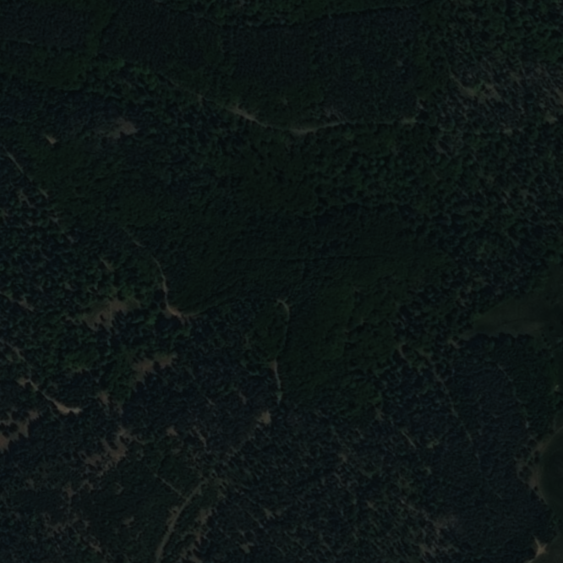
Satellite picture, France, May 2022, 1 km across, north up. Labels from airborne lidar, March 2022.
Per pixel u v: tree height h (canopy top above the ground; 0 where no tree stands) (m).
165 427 24
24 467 17
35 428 25
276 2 17
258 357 20
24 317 24
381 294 14
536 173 28
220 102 14
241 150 22
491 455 27
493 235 23
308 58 17
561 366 0
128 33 8
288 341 20
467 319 27
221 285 20
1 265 14
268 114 12
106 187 23
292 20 17
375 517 28
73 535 23
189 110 9
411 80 21
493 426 21
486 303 15
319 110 7
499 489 23
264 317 15
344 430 36
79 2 24
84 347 20
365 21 23
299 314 16
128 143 14
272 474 28
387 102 27
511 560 25
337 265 18
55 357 18
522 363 15
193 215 18
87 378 28
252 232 15
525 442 19
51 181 19
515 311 0
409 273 13
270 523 32
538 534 24
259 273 18
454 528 27
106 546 11
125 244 18
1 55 26
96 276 20
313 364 13
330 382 15
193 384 26
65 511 7
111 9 17
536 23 32
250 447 28
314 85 20
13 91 23
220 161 21
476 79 30
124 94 14
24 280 37
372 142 20
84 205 18
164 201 22
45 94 23
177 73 18
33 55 18
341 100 23
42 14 24
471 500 24
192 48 22
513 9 37
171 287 16
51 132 21
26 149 19
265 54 20
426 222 16
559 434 0
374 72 23
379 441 34
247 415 27
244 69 22
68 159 25
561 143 34
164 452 9
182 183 22
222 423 23
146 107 17
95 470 14
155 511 10
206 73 9
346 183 26
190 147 20
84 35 26
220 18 8
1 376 7
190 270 15
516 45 34
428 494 32
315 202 14
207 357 7
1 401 21
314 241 17
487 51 36
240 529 22
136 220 18
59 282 19
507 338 17
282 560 15
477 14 32
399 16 26
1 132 19
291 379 16
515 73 33
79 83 9
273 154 12
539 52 34
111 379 25
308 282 12
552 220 13
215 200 18
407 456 7
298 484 32
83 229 20
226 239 20
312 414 9
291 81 22
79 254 21
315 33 15
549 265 8
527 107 31
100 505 9
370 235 17
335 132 15
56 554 24
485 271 40
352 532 26
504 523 23
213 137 22
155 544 10
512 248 10
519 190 13
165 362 0
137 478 10
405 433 35
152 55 19
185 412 23
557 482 0
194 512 9
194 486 7
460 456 27
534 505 22
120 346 27
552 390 15
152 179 21
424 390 17
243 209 15
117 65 22
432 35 24
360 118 19
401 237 19
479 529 24
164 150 26
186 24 21
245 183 20
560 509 0
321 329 17
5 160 19
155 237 15
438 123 14
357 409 17
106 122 11
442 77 11
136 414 27
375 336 23
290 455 31
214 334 30
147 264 14
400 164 12
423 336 25
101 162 20
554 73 34
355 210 23
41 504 7
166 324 39
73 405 18
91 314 9
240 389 27
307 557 27
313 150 15
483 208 34
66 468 7
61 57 21
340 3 18
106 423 22
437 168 17
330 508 25
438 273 12
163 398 26
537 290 8
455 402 12
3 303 18
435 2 15
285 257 18
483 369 10
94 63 24
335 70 21
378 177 23
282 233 19
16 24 27
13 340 20
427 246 15
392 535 34
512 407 23
